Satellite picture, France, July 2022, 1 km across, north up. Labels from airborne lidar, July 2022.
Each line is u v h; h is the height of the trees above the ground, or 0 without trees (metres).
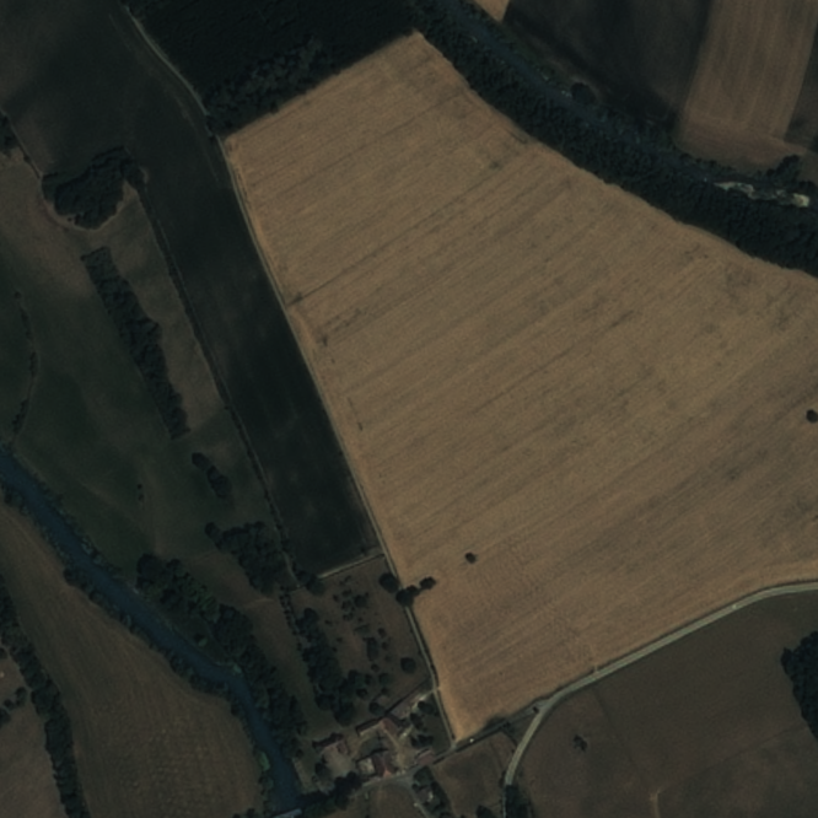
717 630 0
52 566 0
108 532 0
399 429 0
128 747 0
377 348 0
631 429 0
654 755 0
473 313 0
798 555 0
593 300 0
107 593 0
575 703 0
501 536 0
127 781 0
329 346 0
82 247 0
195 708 0
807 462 0
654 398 0
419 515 0
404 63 0
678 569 0
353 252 0
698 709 0
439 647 0
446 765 0
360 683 21
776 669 0
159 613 0
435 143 0
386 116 0
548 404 0
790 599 0
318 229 0
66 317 0
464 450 0
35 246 0
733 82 0
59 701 17
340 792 16
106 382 0
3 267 0
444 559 0
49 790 0
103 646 0
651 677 0
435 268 0
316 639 21
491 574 0
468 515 0
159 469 0
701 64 0
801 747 0
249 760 0
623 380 0
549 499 0
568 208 0
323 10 12
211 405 0
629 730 0
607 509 0
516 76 18
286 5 10
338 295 0
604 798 0
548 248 0
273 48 11
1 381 0
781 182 17
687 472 0
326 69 24
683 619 0
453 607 0
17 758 0
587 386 0
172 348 0
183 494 0
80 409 0
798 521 0
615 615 0
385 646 7
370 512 0
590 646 0
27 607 0
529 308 0
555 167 0
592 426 0
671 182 20
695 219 14
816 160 0
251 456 9
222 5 7
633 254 0
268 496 8
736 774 0
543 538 0
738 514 0
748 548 0
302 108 0
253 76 27
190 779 0
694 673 0
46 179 9
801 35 0
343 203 0
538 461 0
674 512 0
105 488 0
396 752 0
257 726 0
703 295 0
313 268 0
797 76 0
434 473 0
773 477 0
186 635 0
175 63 7
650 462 0
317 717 0
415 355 0
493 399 0
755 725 0
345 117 0
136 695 0
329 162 0
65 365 0
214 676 0
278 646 0
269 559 25
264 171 0
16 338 0
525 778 0
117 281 11
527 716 0
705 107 0
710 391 0
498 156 0
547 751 0
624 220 0
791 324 0
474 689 0
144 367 23
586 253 0
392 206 0
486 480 0
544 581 0
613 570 0
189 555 0
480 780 0
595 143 18
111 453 0
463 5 13
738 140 0
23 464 0
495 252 0
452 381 0
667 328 0
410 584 0
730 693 0
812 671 27
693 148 0
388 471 0
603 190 0
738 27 0
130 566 0
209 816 0
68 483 0
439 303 0
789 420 0
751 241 21
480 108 0
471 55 18
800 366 0
